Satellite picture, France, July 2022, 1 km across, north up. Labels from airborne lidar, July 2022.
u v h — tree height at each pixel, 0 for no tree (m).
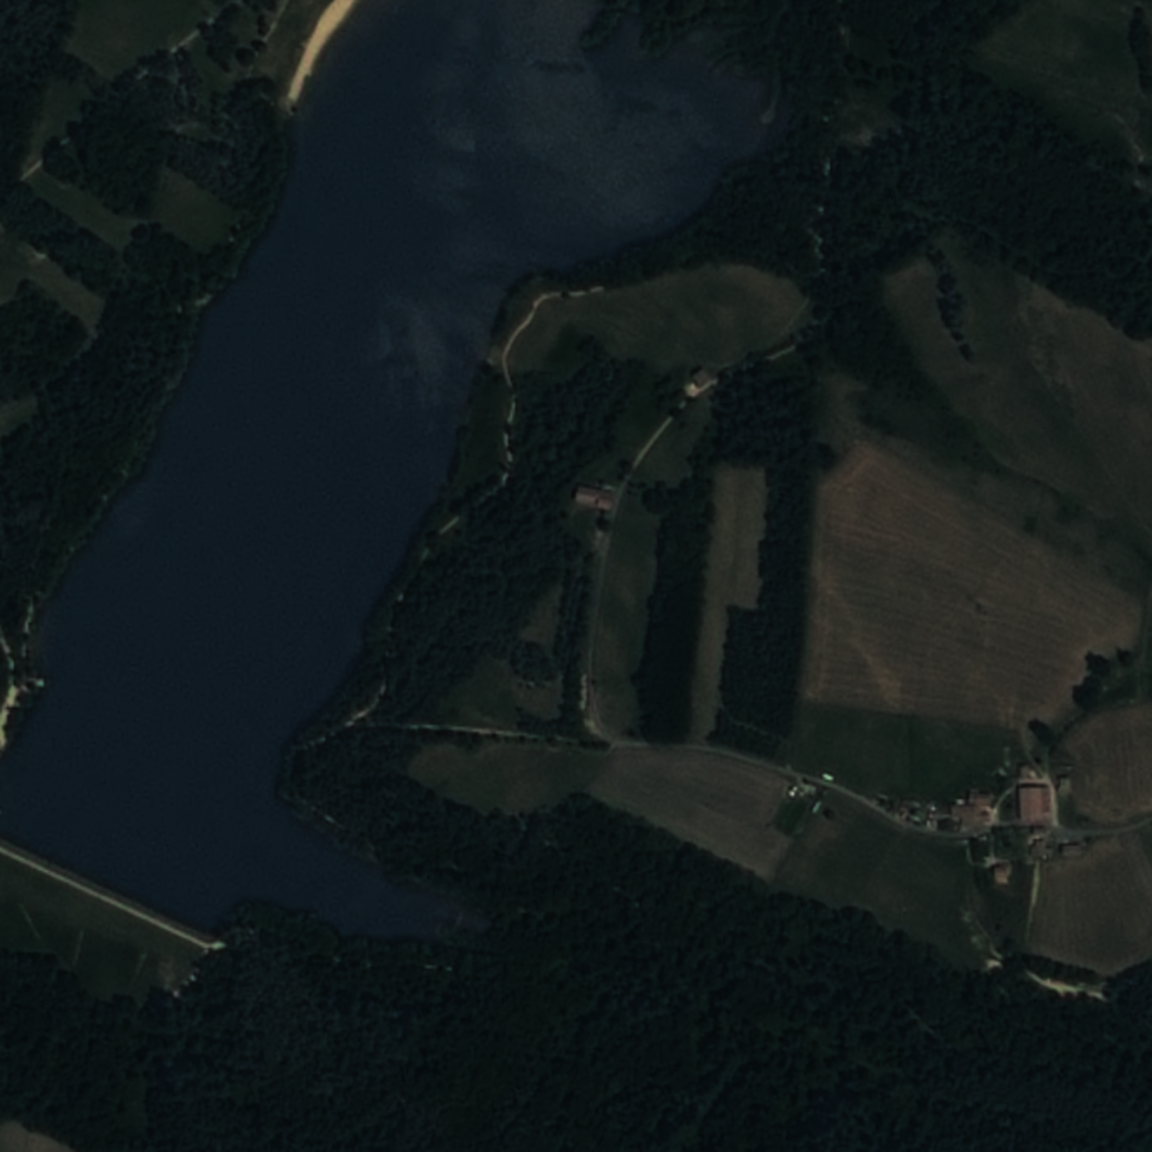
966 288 0
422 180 0
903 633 0
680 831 0
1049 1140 23
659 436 0
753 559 0
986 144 13
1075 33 0
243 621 0
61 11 17
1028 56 0
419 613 21
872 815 0
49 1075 13
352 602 0
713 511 12
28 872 0
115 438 18
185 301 18
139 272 19
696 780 0
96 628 0
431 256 0
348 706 17
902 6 19
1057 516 0
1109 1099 31
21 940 0
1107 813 0
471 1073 21
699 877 22
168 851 0
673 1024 27
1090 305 9
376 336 0
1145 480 0
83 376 26
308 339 0
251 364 0
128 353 20
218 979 16
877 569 0
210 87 0
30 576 23
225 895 0
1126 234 12
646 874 22
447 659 15
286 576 0
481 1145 16
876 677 0
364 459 0
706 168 0
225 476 0
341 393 0
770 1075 23
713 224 7
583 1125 22
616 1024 25
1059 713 0
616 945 15
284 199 0
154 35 0
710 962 21
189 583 0
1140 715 0
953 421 0
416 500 0
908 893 0
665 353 0
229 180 22
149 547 0
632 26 0
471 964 13
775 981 22
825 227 23
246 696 0
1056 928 0
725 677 11
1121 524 0
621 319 0
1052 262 14
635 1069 24
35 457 14
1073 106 0
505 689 0
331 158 0
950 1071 37
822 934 13
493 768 0
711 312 0
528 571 9
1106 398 0
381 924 0
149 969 0
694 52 0
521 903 14
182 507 0
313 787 20
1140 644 0
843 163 24
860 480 0
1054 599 0
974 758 0
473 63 0
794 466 22
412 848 27
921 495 0
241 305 0
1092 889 0
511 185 0
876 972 26
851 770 0
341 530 0
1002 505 0
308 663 0
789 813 0
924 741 0
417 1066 11
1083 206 10
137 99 23
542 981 14
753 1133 29
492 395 0
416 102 0
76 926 0
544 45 0
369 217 0
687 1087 24
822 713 0
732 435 19
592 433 8
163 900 0
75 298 0
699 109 0
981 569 0
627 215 0
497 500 12
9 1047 18
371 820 19
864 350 23
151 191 16
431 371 0
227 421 0
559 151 0
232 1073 26
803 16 15
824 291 21
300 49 0
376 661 13
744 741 10
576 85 0
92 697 0
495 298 0
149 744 0
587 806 19
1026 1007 24
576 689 10
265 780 0
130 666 0
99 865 0
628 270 17
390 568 0
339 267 0
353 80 0
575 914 11
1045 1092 33
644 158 0
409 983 11
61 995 19
